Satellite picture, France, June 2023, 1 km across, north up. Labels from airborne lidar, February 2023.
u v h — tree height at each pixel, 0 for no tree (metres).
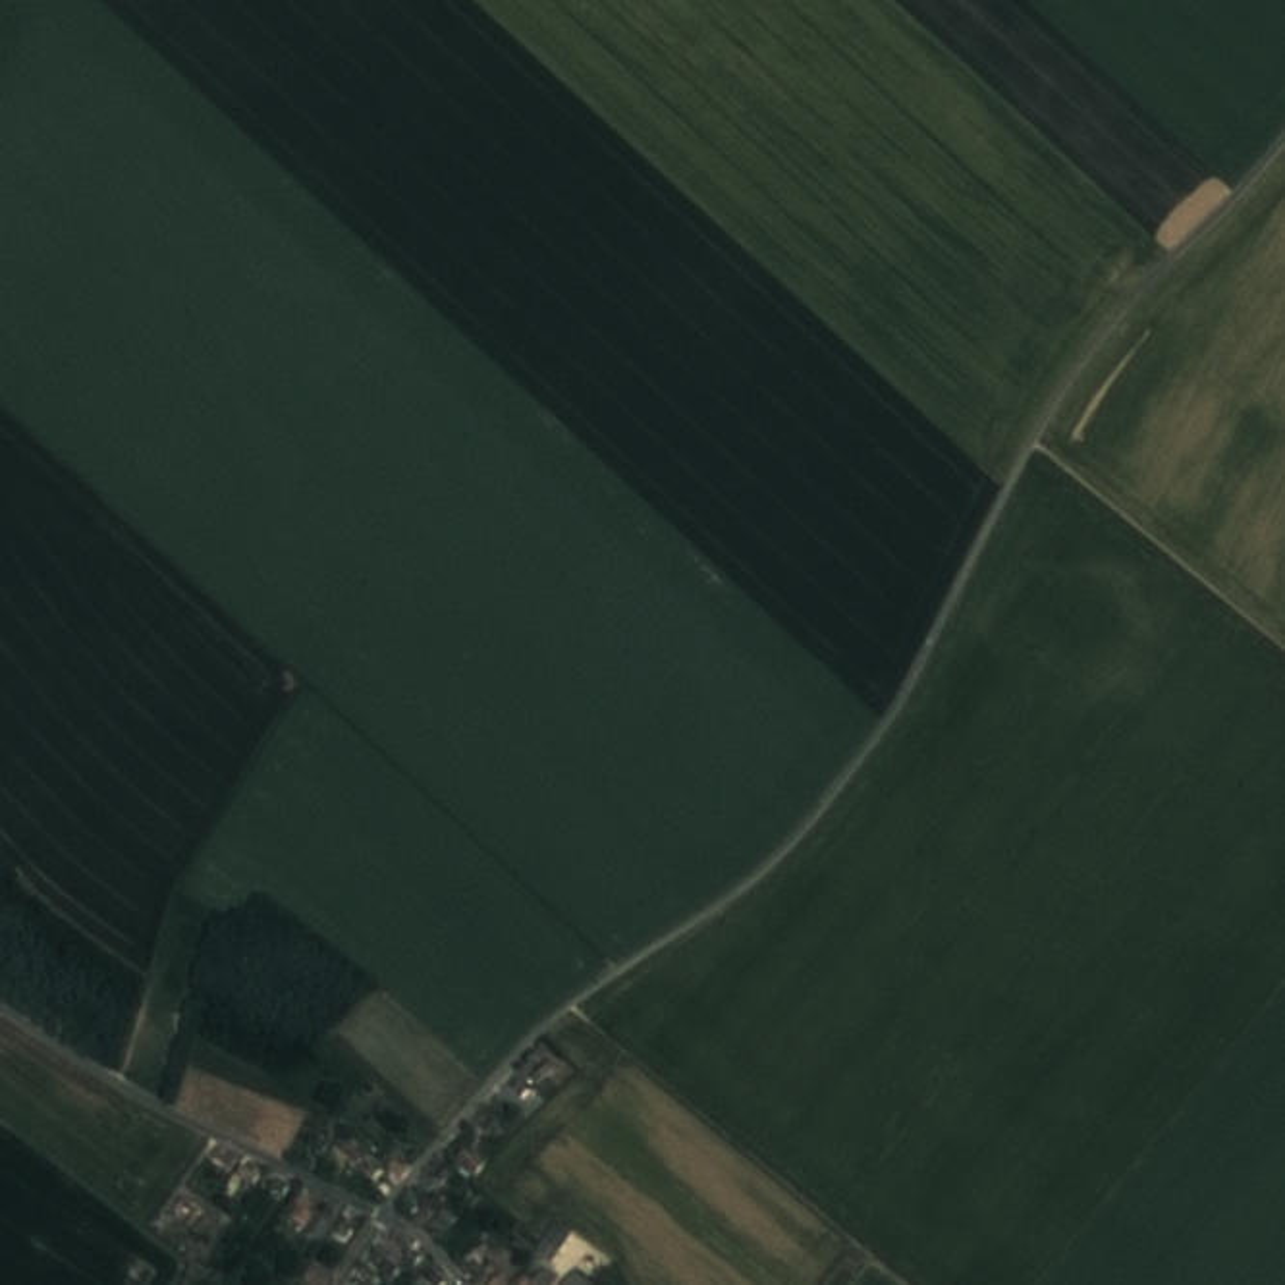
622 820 0
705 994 0
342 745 0
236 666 0
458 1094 0
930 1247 0
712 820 0
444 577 0
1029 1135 0
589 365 0
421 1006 0
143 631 0
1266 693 0
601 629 0
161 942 0
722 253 0
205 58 0
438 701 0
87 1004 17
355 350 0
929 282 0
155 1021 0
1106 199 0
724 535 0
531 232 0
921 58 0
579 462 0
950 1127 0
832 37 0
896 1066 0
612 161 0
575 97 0
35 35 0
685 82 0
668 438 0
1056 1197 0
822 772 0
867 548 0
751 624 0
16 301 0
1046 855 0
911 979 0
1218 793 0
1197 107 0
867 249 0
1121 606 0
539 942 0
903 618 0
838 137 0
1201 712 0
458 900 0
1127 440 0
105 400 0
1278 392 0
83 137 0
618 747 0
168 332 0
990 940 0
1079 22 0
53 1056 0
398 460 0
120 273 0
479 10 0
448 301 0
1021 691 0
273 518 0
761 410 0
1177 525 0
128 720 0
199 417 0
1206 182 0
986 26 0
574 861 0
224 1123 0
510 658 0
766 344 0
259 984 17
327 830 0
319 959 14
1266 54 0
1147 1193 0
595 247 0
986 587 0
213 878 0
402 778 0
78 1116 0
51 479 0
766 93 0
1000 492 0
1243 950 0
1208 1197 0
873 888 0
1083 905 0
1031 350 0
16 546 0
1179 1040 0
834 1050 0
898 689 0
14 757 0
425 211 0
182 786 0
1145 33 0
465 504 0
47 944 13
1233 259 0
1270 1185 0
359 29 0
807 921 0
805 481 0
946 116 0
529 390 0
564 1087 0
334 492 0
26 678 0
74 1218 0
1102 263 0
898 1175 0
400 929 0
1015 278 0
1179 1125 0
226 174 0
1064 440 0
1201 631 0
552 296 0
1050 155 0
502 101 0
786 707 0
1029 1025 0
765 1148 0
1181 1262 0
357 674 0
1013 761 0
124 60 0
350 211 0
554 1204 0
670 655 0
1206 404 0
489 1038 0
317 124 0
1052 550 0
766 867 0
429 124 0
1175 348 0
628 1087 0
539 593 0
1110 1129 0
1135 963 0
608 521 0
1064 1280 0
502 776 0
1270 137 0
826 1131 0
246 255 0
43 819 0
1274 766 0
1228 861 0
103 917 0
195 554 0
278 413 0
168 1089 12
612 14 0
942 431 0
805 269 0
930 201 0
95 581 0
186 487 0
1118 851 0
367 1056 0
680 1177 0
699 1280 0
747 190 0
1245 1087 0
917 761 0
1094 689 0
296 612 0
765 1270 0
